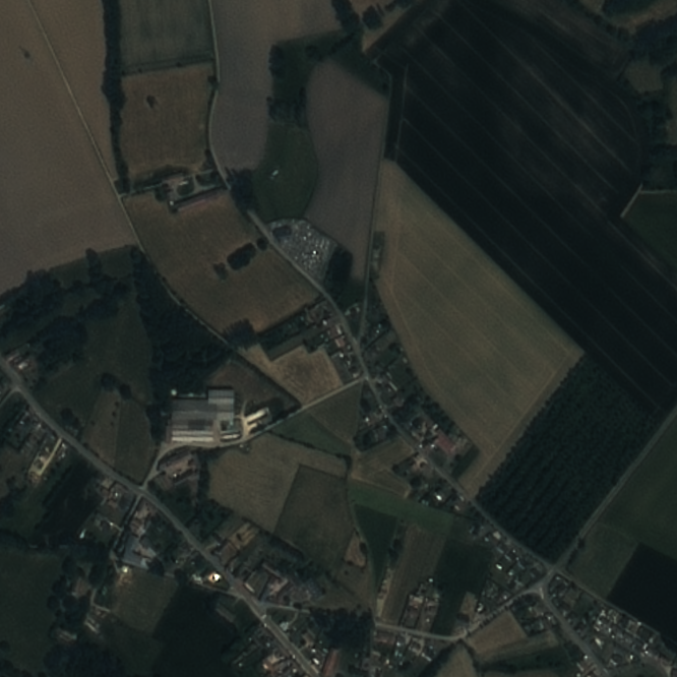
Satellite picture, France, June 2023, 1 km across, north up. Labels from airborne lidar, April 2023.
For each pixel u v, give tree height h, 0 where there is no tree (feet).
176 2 0
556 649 0
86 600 31
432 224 0
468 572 0
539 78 0
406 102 0
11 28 0
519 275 0
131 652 0
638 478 0
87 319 30
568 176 0
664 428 0
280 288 0
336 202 0
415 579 0
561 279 0
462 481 0
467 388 0
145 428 0
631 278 0
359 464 0
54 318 0
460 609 0
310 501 0
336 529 0
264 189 0
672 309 0
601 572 0
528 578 0
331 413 0
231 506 0
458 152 0
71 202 0
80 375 0
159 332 74
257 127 0
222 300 0
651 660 0
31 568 0
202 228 0
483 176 0
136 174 0
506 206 0
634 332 0
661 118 54
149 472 0
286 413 26
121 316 0
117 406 21
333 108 0
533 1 0
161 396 57
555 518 34
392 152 0
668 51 103
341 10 87
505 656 0
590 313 0
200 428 0
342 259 28
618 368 0
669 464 0
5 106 0
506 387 0
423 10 0
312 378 0
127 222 0
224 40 0
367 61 30
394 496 0
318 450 0
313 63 0
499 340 0
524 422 0
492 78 0
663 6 0
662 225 0
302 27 0
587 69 0
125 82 0
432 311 0
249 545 0
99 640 0
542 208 0
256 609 0
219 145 0
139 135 0
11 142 0
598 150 0
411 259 0
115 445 0
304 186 0
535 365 0
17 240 0
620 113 0
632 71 0
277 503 0
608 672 0
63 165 0
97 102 0
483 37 0
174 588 0
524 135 0
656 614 0
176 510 0
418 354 0
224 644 0
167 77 0
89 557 64
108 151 0
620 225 0
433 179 0
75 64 0
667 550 0
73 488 0
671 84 0
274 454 0
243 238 0
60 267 0
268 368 0
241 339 84
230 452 0
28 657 0
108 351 0
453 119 0
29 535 0
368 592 0
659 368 0
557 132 0
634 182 0
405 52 0
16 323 55
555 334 0
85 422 0
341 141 0
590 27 0
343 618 77
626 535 0
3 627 0
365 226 0
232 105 0
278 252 0
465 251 0
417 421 51
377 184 0
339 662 0
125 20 0
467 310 0
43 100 0
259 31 0
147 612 0
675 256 0
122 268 0
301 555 46
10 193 0
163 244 0
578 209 0
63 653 75
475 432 0
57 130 0
